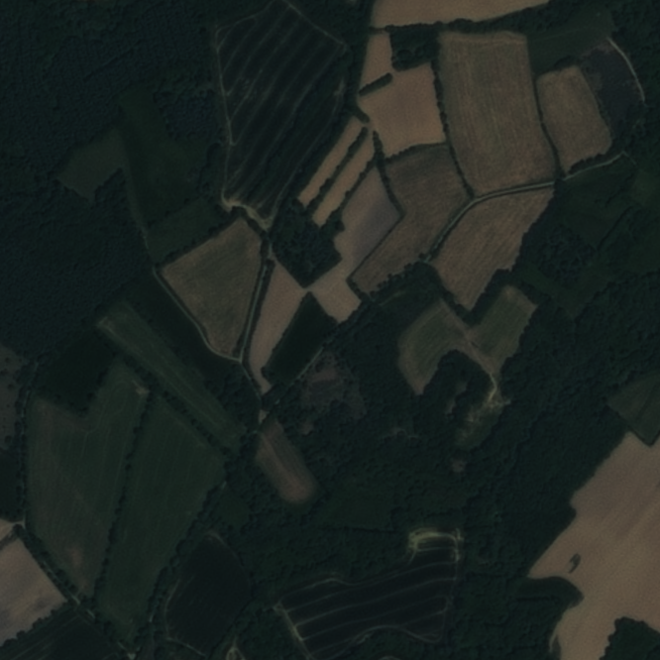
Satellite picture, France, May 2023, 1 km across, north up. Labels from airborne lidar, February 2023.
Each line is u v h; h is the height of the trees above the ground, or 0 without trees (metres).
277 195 0
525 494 18
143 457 0
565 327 19
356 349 18
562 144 0
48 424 0
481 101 0
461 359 18
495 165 0
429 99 0
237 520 0
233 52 0
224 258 0
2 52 32
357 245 0
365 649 14
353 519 0
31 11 18
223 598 0
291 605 0
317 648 0
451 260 0
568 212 0
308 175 12
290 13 0
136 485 0
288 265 9
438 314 0
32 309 17
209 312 0
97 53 18
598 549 0
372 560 8
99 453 0
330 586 0
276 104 0
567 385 7
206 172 9
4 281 18
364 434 16
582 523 0
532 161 0
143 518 0
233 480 16
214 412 0
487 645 7
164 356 0
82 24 20
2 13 27
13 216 13
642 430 0
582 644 0
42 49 20
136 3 18
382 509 0
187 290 0
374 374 15
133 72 18
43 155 19
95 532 0
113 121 16
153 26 19
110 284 16
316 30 0
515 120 0
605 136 0
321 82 10
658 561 0
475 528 17
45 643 0
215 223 0
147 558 0
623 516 0
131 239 12
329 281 0
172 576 12
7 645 12
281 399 13
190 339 0
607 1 15
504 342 0
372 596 0
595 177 0
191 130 24
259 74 0
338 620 0
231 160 0
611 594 0
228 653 0
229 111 0
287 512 6
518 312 0
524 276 0
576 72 0
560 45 0
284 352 0
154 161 0
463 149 0
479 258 0
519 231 0
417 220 0
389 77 6
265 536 17
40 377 15
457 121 0
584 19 0
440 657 13
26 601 0
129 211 8
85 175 0
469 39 0
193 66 14
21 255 17
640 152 12
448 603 0
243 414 14
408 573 0
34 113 18
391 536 17
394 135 0
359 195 0
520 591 0
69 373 0
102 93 19
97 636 0
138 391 0
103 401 0
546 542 14
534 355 8
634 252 7
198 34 14
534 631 13
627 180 6
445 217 0
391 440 13
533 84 0
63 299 17
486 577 13
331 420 13
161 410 0
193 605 0
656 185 0
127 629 0
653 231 9
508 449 16
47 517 0
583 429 16
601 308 10
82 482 0
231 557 0
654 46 8
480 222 0
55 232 14
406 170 0
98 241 15
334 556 14
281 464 0
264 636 10
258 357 0
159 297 0
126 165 0
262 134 0
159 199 0
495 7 0
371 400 11
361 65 7
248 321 0
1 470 0
